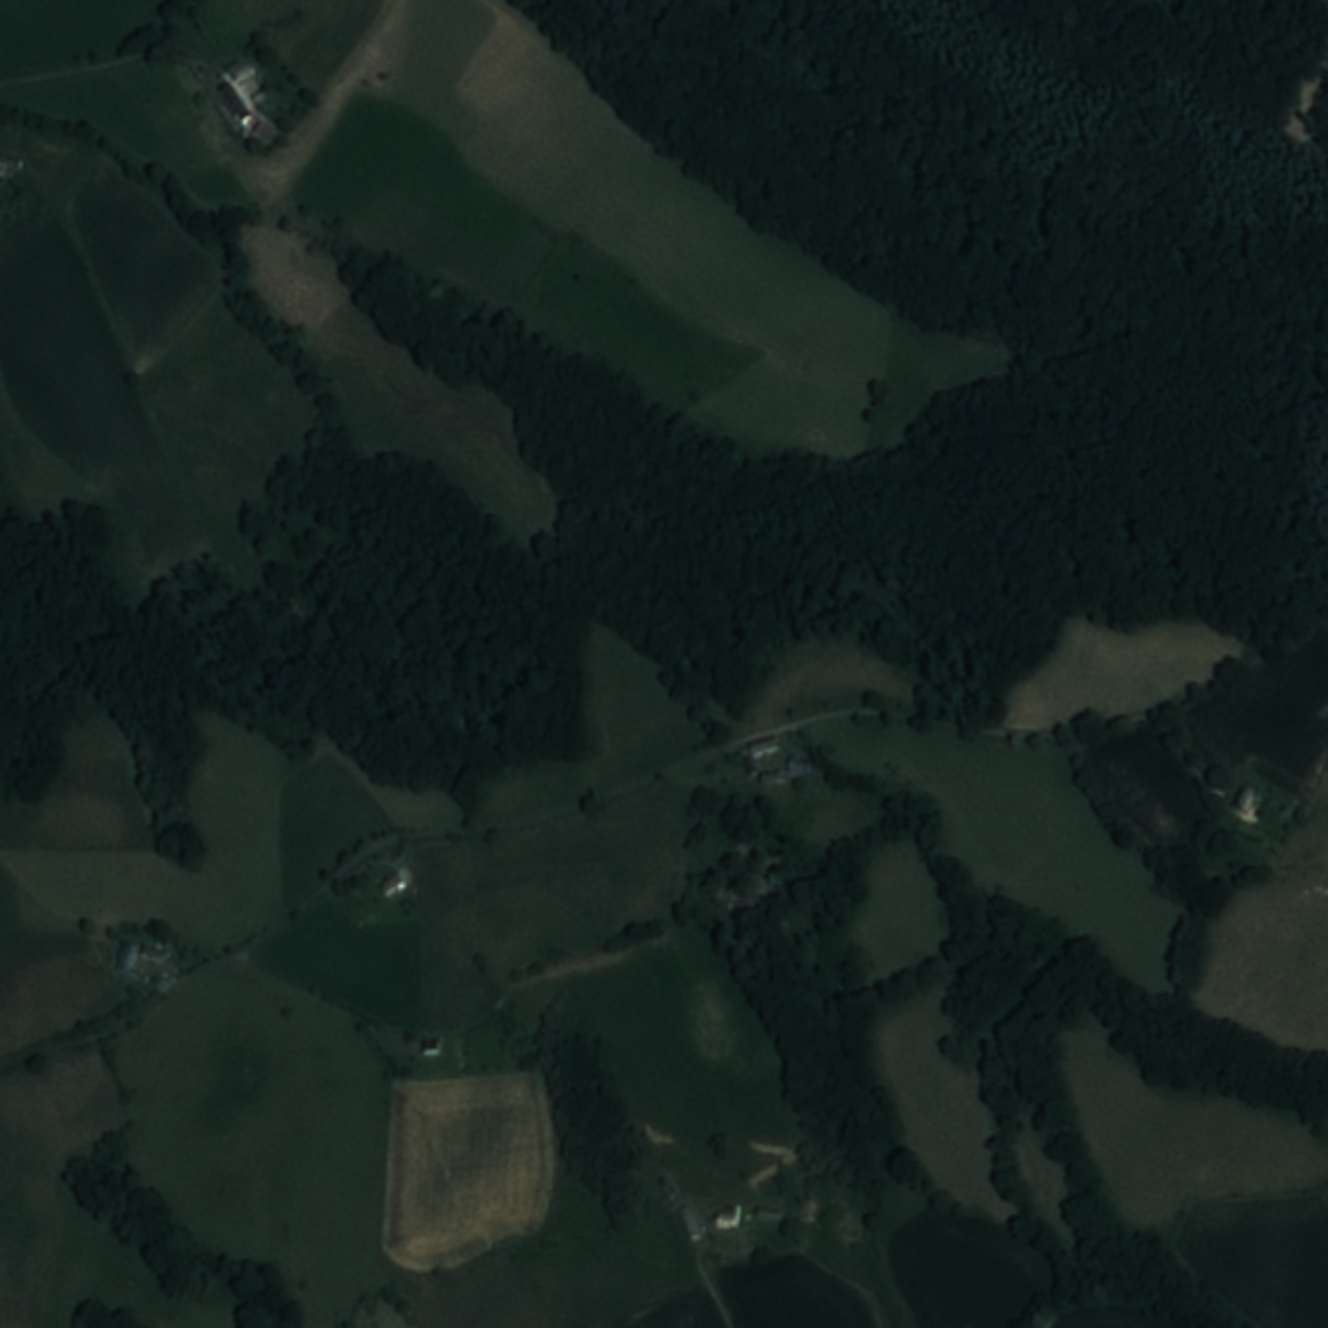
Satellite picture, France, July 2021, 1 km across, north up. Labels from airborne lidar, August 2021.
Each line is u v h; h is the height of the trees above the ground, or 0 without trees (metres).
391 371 0
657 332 0
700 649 32
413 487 28
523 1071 8
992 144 16
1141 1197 0
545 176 0
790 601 33
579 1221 0
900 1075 0
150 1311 0
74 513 24
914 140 32
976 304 27
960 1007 22
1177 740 14
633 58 18
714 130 36
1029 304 27
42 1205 0
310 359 25
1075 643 0
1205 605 27
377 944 0
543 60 0
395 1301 8
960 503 25
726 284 0
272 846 0
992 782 0
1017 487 28
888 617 30
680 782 0
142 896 0
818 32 31
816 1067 30
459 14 0
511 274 0
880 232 29
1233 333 27
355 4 0
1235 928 0
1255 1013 0
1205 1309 12
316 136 0
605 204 0
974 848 0
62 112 0
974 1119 0
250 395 0
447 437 0
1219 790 13
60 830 0
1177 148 23
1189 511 33
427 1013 0
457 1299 0
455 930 0
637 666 0
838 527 26
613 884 0
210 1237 0
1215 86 27
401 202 0
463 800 17
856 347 0
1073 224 28
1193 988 13
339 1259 0
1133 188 23
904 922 0
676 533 18
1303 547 25
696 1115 0
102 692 21
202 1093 0
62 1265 0
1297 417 27
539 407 13
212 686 28
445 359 32
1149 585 31
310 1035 0
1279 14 27
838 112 33
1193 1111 0
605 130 0
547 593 25
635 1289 0
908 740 0
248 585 0
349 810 0
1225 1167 0
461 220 0
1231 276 24
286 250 0
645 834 0
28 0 0
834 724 0
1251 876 18
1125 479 30
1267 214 25
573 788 0
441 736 34
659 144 14
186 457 0
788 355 0
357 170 0
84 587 22
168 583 15
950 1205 16
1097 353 22
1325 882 0
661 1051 0
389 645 30
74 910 0
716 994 0
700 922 12
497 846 9
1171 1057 29
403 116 0
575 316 0
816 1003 33
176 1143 0
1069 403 28
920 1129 0
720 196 9
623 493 19
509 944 0
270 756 0
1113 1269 15
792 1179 13
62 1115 0
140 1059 0
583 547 12
